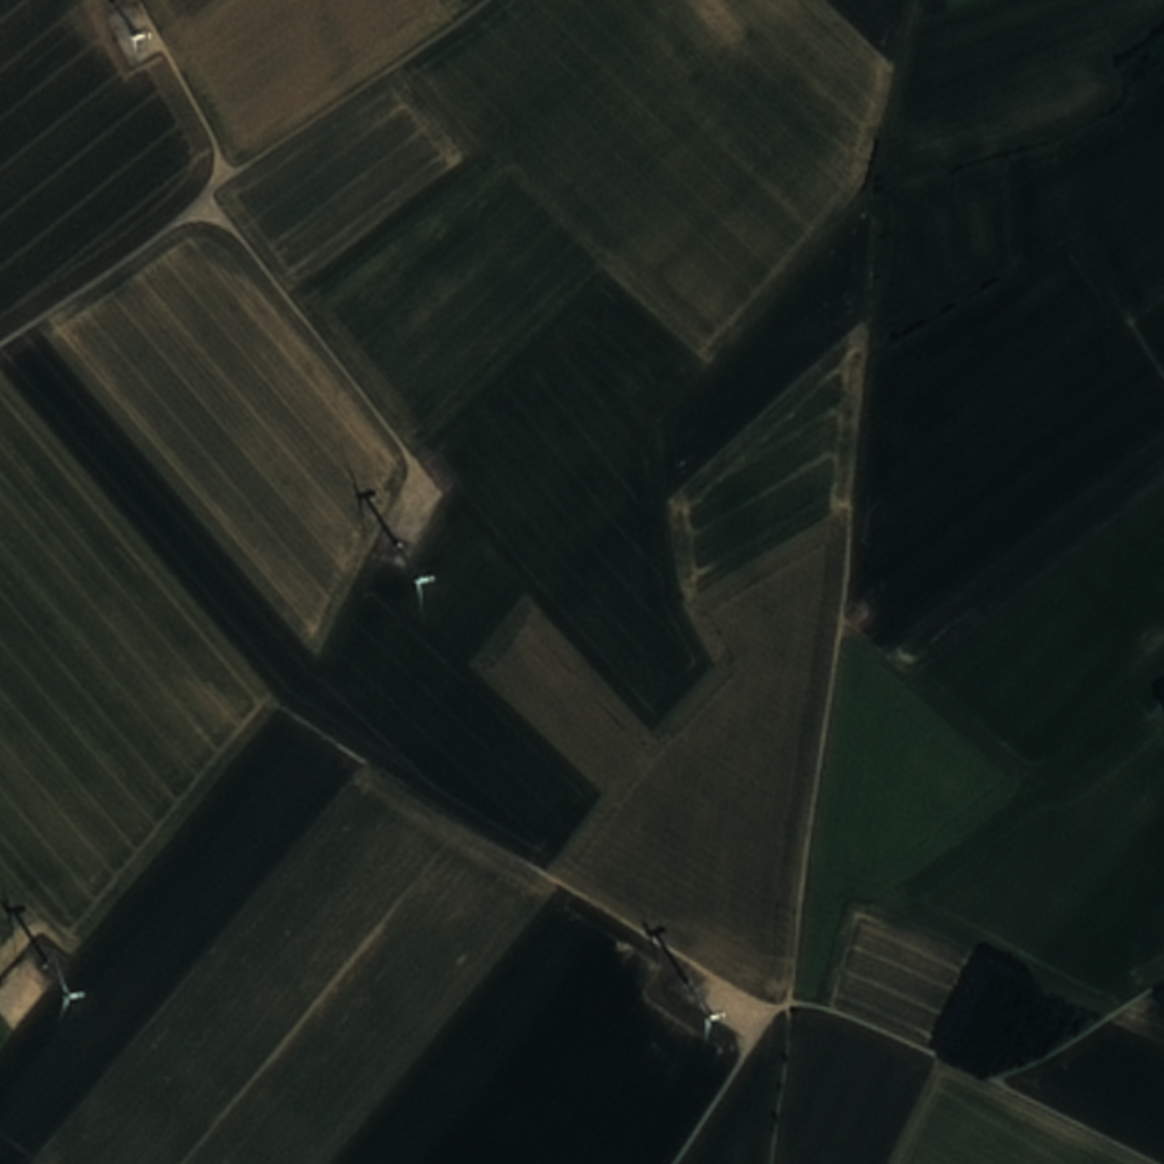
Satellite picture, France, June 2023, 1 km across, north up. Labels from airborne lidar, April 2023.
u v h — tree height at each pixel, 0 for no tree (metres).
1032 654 0
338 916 0
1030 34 0
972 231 0
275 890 0
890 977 0
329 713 0
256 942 0
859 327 0
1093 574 0
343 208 0
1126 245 0
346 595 0
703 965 0
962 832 0
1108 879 0
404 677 0
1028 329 0
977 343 0
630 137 0
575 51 0
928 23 0
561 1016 0
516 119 0
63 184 0
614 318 0
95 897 0
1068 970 0
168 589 0
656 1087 0
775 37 0
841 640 0
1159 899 0
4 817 0
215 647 0
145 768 0
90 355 0
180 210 0
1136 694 0
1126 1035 0
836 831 0
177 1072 0
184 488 0
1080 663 0
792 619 0
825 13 0
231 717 0
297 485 0
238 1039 0
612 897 0
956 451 0
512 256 0
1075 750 0
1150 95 0
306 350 0
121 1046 0
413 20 0
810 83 0
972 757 0
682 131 0
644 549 0
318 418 0
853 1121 0
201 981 0
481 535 0
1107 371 0
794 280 0
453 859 0
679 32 0
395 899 0
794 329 0
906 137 0
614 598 0
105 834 0
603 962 0
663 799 0
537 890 0
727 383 0
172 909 0
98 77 0
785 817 0
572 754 0
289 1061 0
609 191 0
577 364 0
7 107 0
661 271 0
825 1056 0
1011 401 0
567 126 0
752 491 0
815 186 0
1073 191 0
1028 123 0
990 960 25
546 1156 0
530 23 0
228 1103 0
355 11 0
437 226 0
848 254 0
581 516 0
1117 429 0
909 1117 0
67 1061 0
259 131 0
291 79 0
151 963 0
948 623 0
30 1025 0
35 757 0
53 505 0
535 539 0
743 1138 0
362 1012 0
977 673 0
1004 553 0
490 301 0
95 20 0
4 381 0
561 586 0
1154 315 0
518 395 0
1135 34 0
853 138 0
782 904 0
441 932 0
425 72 0
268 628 0
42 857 0
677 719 0
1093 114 0
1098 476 0
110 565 0
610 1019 0
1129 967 0
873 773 0
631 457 0
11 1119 0
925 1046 0
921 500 0
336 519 0
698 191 0
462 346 0
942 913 0
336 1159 0
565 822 0
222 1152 0
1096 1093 0
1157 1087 0
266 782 0
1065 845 0
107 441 0
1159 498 0
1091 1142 0
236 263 0
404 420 0
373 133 0
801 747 0
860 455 0
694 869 0
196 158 0
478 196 0
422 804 0
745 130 0
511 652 0
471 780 0
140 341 0
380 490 0
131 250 0
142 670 0
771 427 0
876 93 0
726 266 0
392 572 0
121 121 0
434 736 0
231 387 0
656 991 0
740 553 0
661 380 0
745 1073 0
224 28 0
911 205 0
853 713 0
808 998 0
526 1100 0
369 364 0
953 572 0
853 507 0
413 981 0
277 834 0
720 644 0
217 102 0
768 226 0
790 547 0
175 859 0
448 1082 0
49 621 0
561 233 0
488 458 0
